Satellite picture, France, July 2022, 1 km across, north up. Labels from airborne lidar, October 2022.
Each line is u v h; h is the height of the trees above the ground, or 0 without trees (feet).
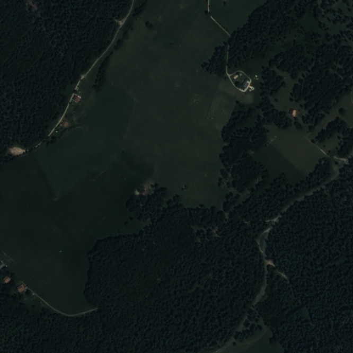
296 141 0
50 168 0
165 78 0
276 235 75
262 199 81
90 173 0
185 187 22
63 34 54
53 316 34
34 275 0
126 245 69
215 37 0
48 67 52
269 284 39
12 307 83
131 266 59
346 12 0
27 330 65
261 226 66
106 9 48
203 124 0
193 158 0
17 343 30
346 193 59
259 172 81
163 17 0
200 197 0
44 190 0
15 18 75
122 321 69
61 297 0
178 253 76
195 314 55
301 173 0
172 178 0
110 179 0
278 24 63
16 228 0
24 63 58
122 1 47
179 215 71
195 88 0
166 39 0
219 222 77
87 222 0
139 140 0
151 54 0
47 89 62
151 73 0
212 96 0
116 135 0
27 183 0
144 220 70
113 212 0
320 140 63
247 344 0
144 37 0
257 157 0
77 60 60
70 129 24
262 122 55
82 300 0
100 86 36
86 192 0
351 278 55
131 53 0
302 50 51
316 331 57
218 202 0
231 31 0
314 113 63
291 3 84
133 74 0
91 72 0
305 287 68
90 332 32
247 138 70
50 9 73
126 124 0
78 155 0
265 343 0
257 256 91
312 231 48
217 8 0
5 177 0
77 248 0
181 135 0
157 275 69
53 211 0
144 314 50
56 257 0
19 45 35
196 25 0
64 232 0
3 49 70
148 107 0
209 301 27
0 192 0
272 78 68
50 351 47
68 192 0
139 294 56
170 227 68
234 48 28
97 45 49
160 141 0
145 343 22
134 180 0
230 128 62
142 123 0
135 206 65
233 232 97
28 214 0
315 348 103
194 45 0
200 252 63
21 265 0
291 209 53
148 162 0
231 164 61
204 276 93
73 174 0
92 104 0
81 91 0
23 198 0
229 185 68
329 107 70
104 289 42
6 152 50
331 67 67
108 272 49
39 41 52
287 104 0
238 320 82
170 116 0
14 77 63
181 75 0
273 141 0
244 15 0
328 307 90
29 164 0
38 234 0
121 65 0
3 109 61
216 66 29
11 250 0
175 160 0
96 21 25
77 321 30
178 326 85
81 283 0
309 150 0
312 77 62
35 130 49
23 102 64
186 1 0
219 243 71
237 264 87
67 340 68
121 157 0
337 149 42
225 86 0
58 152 0
